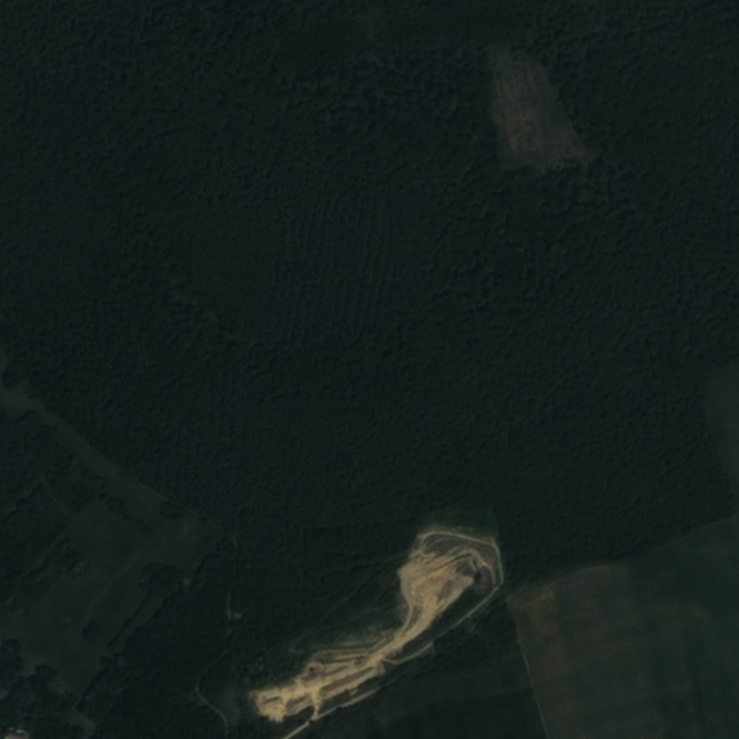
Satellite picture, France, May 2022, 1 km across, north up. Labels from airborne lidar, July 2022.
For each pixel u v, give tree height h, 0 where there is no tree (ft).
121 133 59
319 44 23
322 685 0
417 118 53
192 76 55
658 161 73
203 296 47
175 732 39
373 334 39
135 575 0
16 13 31
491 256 60
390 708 0
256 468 36
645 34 58
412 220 48
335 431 31
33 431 23
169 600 30
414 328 52
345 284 23
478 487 35
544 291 59
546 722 0
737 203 46
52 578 31
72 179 27
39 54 33
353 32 18
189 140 53
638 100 67
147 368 33
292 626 31
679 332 58
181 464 38
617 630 0
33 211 34
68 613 0
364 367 43
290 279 25
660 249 27
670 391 49
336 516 33
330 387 36
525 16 47
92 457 0
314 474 40
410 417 31
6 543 39
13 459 31
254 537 40
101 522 0
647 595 0
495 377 40
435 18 31
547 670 0
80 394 42
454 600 0
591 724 0
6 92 38
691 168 50
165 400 25
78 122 39
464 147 64
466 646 21
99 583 0
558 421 53
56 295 34
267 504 44
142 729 50
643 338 36
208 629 28
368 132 61
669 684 0
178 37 49
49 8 37
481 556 0
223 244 32
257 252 29
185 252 35
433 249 51
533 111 0
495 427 29
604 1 50
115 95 56
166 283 51
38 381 41
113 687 46
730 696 0
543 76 0
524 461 44
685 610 0
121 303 40
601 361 53
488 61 61
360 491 45
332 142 67
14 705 57
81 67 36
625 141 63
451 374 25
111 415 41
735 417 0
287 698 0
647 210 52
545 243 63
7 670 64
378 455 32
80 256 36
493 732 0
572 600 0
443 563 0
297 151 45
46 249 30
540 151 0
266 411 37
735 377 0
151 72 44
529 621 0
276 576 31
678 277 29
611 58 72
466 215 54
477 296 29
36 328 40
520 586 19
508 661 0
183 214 29
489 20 36
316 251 34
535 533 33
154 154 62
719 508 28
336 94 55
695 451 42
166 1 60
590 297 49
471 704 0
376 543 27
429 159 43
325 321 38
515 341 35
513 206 69
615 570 0
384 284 32
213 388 32
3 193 37
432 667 30
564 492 28
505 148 0
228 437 25
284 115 60
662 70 56
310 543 33
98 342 34
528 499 29
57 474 24
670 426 45
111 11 41
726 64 66
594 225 70
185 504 23
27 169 33
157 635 44
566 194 72
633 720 0
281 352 51
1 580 39
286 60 35
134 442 50
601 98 67
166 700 25
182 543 0
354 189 34
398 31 18
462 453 51
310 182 37
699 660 0
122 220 53
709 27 61
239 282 32
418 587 0
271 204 23
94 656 0
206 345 44
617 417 36
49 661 0
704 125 51
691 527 37
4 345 30
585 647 0
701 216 36
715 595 0
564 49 42
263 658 31
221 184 37
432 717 0
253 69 46
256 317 36
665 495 18
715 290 40
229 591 29
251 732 27
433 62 67
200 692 23
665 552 0
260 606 32
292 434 37
